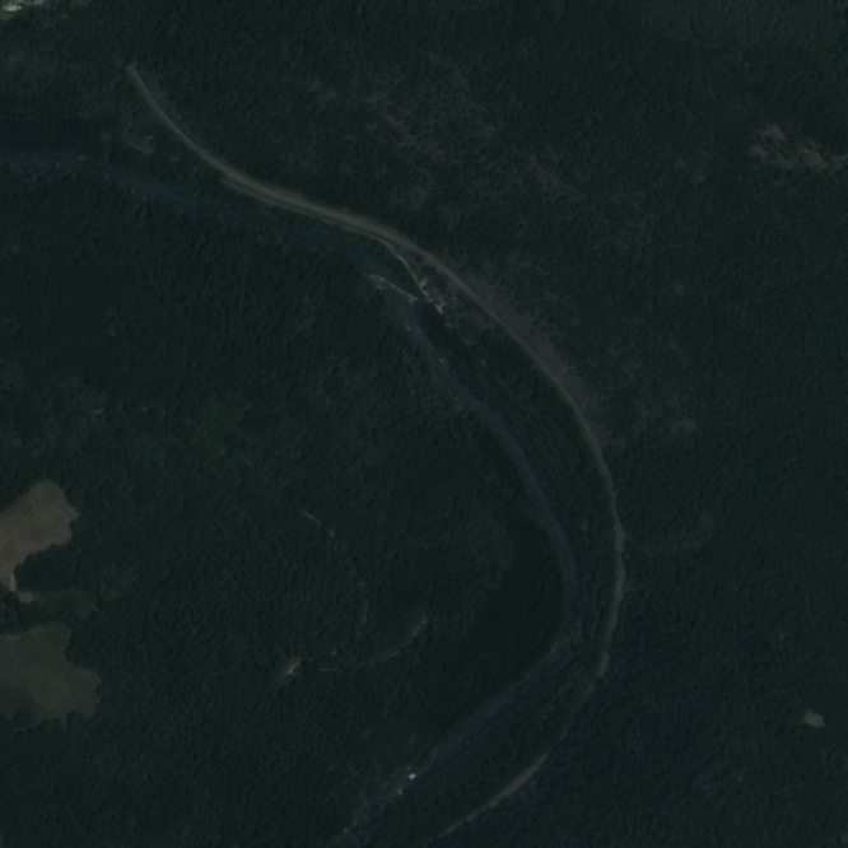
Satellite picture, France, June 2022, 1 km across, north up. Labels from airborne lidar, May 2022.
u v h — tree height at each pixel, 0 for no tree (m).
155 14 15
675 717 11
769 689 10
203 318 22
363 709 14
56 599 0
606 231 10
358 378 11
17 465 19
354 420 15
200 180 21
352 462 13
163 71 13
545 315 8
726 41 9
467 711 29
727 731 18
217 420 14
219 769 14
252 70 9
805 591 21
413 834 21
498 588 14
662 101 14
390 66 9
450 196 20
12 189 25
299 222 12
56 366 22
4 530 0
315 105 9
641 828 17
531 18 21
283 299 16
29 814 22
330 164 10
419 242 12
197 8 16
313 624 21
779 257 15
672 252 14
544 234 11
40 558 12
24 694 0
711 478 20
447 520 16
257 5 22
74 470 16
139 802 21
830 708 20
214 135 10
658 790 10
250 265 12
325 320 18
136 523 16
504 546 15
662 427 8
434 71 7
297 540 20
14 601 20
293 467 11
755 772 14
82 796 23
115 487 18
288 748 19
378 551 21
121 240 23
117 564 12
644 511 16
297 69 8
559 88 11
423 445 21
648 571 16
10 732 19
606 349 7
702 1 15
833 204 19
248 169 11
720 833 19
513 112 10
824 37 21
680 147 12
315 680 19
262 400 21
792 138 17
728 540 13
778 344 12
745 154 16
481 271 10
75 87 9
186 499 15
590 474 21
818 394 13
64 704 0
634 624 14
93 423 16
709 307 9
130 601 24
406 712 13
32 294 28
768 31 16
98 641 24
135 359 21
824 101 20
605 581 16
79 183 18
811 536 15
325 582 17
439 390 21
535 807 7
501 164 7
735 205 14
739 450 27
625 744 11
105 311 23
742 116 16
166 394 20
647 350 12
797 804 20
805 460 20
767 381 10
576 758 19
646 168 8
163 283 15
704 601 17
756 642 17
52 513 0
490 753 32
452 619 14
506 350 10
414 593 14
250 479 18
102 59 10
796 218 12
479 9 10
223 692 18
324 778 12
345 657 15
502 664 16
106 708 13
